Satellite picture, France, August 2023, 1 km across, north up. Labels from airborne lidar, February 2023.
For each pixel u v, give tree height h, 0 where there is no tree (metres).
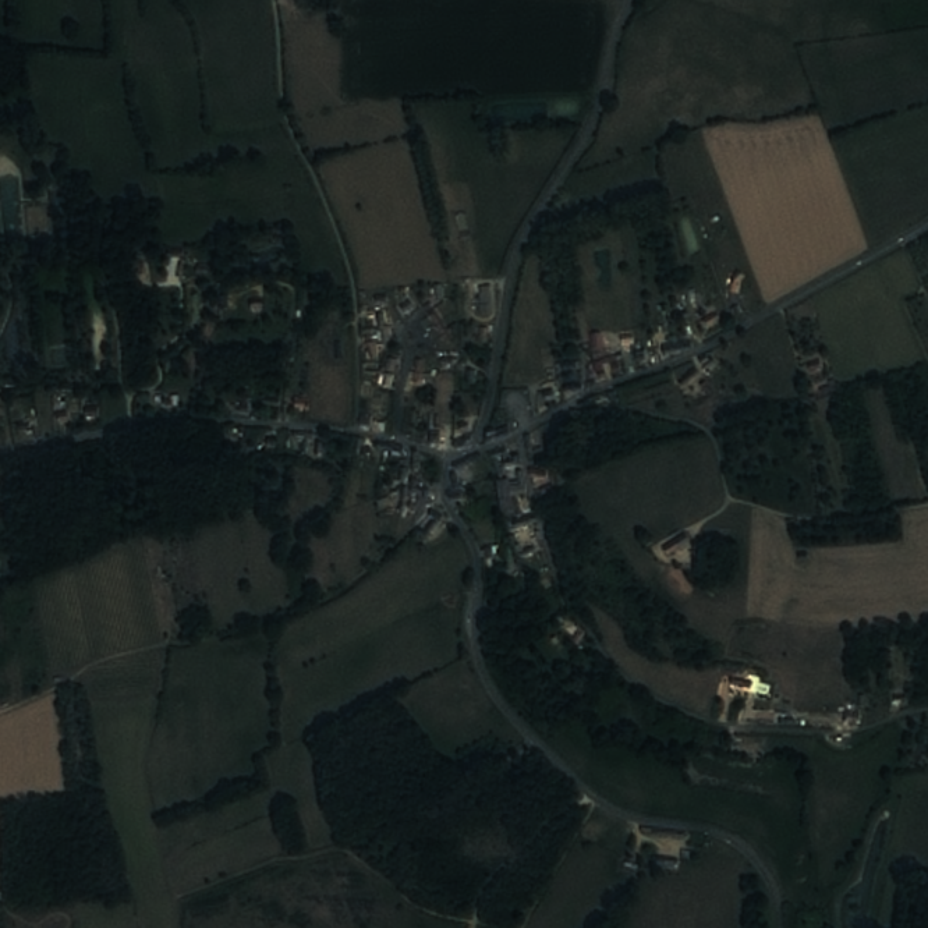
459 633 6
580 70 0
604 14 0
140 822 0
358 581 0
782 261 0
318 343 0
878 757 0
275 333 0
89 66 0
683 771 6
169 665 10
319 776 12
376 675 0
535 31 0
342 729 16
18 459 13
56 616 0
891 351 0
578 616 13
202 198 0
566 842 15
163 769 0
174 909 0
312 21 0
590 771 0
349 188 0
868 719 0
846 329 0
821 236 0
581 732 0
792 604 0
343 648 0
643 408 0
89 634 0
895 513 10
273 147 0
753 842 0
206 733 0
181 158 0
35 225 0
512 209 0
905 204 0
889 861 0
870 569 0
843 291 0
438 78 0
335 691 0
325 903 0
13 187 0
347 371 0
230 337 0
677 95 0
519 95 0
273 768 0
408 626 0
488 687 0
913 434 8
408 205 0
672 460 0
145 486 20
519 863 16
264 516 22
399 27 0
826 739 0
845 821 0
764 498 0
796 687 0
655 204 27
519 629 9
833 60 0
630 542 0
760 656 0
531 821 20
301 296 0
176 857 0
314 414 0
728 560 12
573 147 0
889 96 0
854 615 0
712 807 0
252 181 0
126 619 0
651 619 9
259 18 0
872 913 0
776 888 0
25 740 0
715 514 0
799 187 0
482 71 0
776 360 0
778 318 0
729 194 0
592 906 0
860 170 0
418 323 0
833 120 0
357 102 0
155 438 26
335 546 0
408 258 0
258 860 0
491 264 0
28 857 16
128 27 0
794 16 0
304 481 0
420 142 21
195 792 0
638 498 0
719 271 0
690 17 0
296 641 0
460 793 25
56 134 0
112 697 0
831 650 0
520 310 0
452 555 0
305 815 0
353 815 20
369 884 0
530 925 0
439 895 9
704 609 0
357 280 0
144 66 0
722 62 0
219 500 19
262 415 13
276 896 0
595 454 14
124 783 0
